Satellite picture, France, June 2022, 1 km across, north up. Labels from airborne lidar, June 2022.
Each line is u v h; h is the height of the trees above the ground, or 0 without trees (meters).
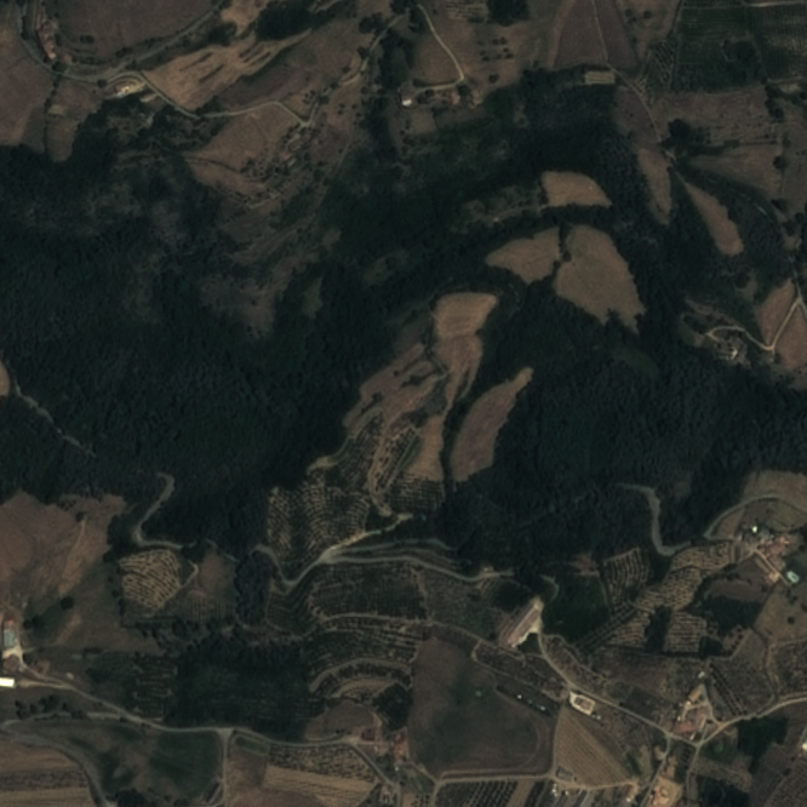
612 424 15
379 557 0
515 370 6
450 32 0
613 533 18
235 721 8
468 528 17
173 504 7
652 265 17
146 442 20
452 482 7
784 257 20
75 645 0
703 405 21
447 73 0
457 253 8
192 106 0
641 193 15
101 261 11
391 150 9
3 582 0
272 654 13
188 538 15
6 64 0
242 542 19
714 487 11
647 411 20
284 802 0
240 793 0
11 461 17
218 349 14
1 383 0
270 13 6
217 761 0
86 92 0
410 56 6
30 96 0
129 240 17
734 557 0
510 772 0
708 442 6
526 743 0
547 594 9
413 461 0
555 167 9
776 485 0
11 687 0
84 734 0
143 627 7
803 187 0
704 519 12
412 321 5
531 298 18
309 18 7
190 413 18
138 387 16
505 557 10
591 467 12
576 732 0
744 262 6
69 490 11
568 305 12
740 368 11
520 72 0
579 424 28
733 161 0
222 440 19
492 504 8
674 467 13
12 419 13
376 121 17
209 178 0
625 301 0
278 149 0
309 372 16
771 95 8
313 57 0
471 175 9
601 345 11
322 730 0
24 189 16
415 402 0
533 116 10
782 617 0
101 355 10
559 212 10
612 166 10
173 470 11
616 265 0
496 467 9
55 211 12
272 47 0
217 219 10
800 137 0
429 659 0
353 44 0
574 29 0
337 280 22
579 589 7
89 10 0
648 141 0
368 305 15
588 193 0
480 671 0
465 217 8
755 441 15
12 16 0
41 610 0
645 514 13
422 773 0
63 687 0
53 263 16
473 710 0
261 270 6
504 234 11
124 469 12
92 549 0
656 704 0
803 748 0
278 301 5
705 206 0
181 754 0
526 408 13
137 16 0
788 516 0
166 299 21
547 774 0
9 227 18
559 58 0
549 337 9
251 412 12
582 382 20
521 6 7
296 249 11
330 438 18
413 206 8
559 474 19
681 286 9
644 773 0
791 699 0
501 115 8
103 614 0
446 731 0
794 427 24
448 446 7
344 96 0
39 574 0
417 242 14
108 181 12
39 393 12
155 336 8
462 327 0
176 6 0
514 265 0
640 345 17
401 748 0
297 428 12
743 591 0
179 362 21
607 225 16
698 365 19
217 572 0
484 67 0
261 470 10
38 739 0
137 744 0
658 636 7
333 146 0
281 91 0
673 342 16
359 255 13
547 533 14
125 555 12
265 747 0
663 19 0
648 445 15
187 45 6
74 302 11
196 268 6
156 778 0
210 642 13
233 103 0
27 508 0
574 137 12
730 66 7
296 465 13
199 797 0
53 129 0
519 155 8
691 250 13
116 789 0
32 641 0
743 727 8
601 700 0
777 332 0
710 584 7
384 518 8
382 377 0
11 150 9
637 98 0
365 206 7
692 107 0
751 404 14
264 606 15
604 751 0
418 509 9
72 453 16
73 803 0
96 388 23
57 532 0
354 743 0
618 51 0
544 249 0
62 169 12
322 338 11
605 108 12
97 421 16
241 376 6
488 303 0
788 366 0
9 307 16
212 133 7
